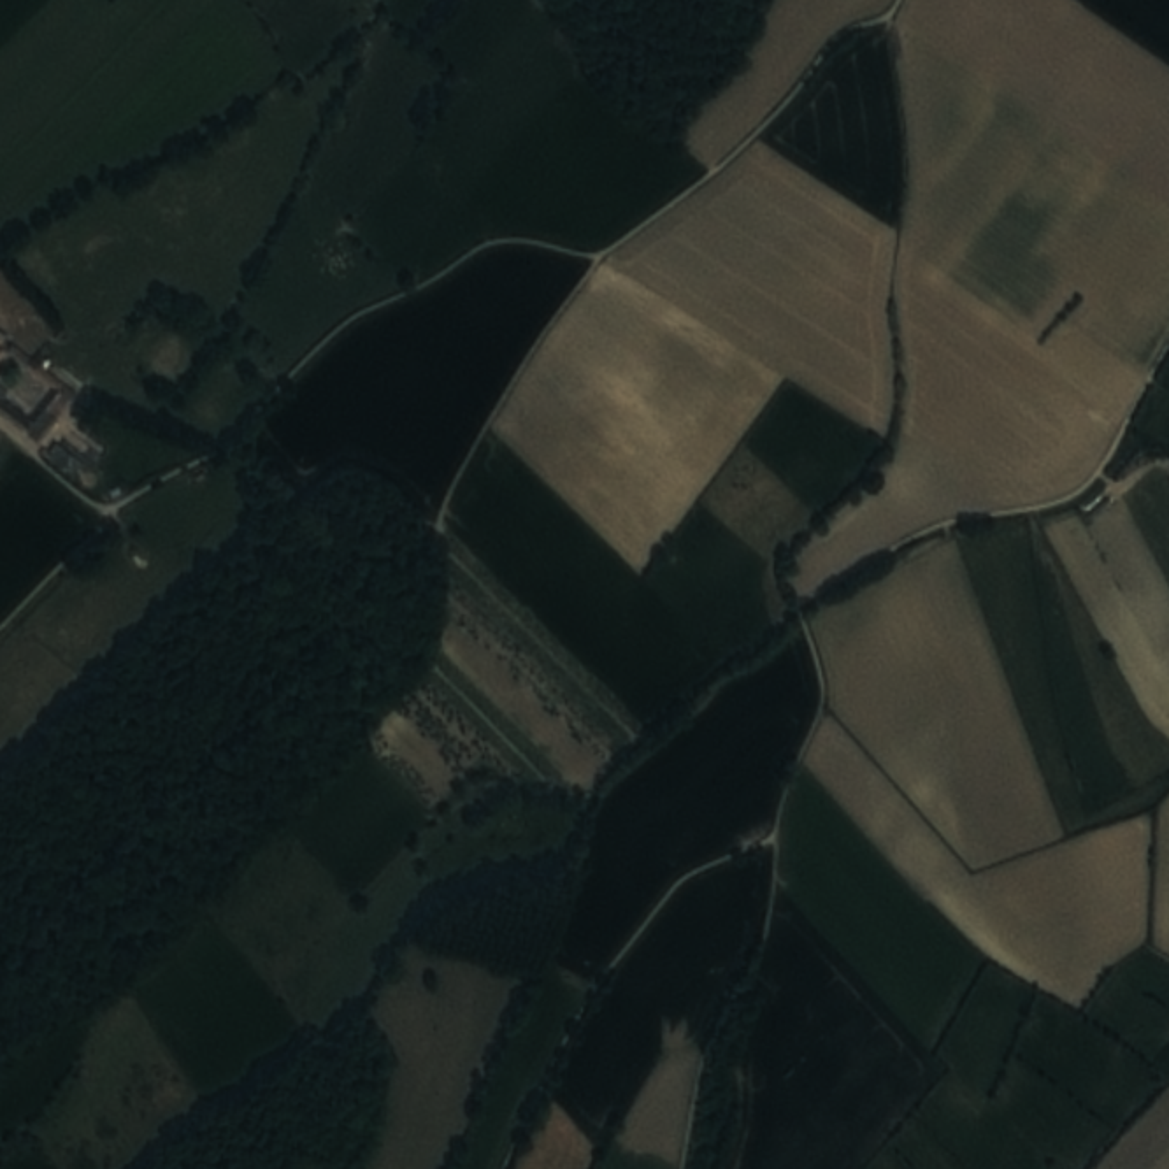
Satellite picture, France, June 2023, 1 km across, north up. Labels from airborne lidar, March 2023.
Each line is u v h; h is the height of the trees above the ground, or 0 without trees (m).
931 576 0
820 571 0
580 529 0
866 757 0
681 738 0
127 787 21
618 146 0
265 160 0
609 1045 0
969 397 0
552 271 0
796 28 0
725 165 0
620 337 0
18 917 26
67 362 0
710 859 0
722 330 0
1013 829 0
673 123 21
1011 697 0
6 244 16
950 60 0
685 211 0
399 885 0
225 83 0
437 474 0
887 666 0
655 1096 0
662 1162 0
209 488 0
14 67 0
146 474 0
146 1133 0
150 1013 0
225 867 26
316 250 0
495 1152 0
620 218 0
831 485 0
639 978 0
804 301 0
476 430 0
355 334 0
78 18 0
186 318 14
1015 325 0
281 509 26
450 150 0
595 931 0
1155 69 0
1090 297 0
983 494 0
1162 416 0
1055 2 0
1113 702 0
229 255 0
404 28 10
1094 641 0
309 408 0
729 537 0
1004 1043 0
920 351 0
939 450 0
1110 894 0
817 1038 0
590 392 0
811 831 0
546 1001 0
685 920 0
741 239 0
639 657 0
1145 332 0
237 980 0
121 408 22
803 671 0
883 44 0
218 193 0
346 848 0
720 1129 7
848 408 0
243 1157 24
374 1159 0
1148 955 0
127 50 0
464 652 0
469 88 0
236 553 15
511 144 0
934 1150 0
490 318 0
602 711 0
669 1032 0
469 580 0
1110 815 0
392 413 0
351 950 0
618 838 0
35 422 0
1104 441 0
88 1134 0
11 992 23
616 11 27
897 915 0
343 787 0
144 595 0
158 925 25
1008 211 0
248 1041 0
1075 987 0
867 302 0
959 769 0
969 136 0
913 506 0
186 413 0
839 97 0
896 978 0
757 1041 0
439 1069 0
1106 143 0
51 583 0
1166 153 0
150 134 0
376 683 28
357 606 24
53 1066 0
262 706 26
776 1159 0
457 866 0
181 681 23
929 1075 0
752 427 0
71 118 0
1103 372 0
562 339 0
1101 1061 0
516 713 0
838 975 0
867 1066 0
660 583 0
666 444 0
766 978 0
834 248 0
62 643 0
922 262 0
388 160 0
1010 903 0
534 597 0
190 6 0
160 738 23
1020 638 0
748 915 0
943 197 0
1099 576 0
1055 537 0
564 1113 0
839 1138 0
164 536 0
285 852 0
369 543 24
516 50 0
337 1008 0
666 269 0
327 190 0
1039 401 0
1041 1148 0
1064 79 0
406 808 0
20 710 0
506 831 0
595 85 13
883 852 0
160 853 23
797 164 0
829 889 0
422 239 0
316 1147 21
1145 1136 0
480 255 0
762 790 0
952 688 0
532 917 38
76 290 0
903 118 0
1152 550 0
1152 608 0
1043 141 0
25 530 0
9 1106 0
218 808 22
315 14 0
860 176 0
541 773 0
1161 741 0
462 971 0
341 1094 24
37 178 0
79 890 22
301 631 22
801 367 0
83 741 23
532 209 0
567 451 0
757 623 0
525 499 0
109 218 0
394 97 0
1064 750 0
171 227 0
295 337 0
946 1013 0
